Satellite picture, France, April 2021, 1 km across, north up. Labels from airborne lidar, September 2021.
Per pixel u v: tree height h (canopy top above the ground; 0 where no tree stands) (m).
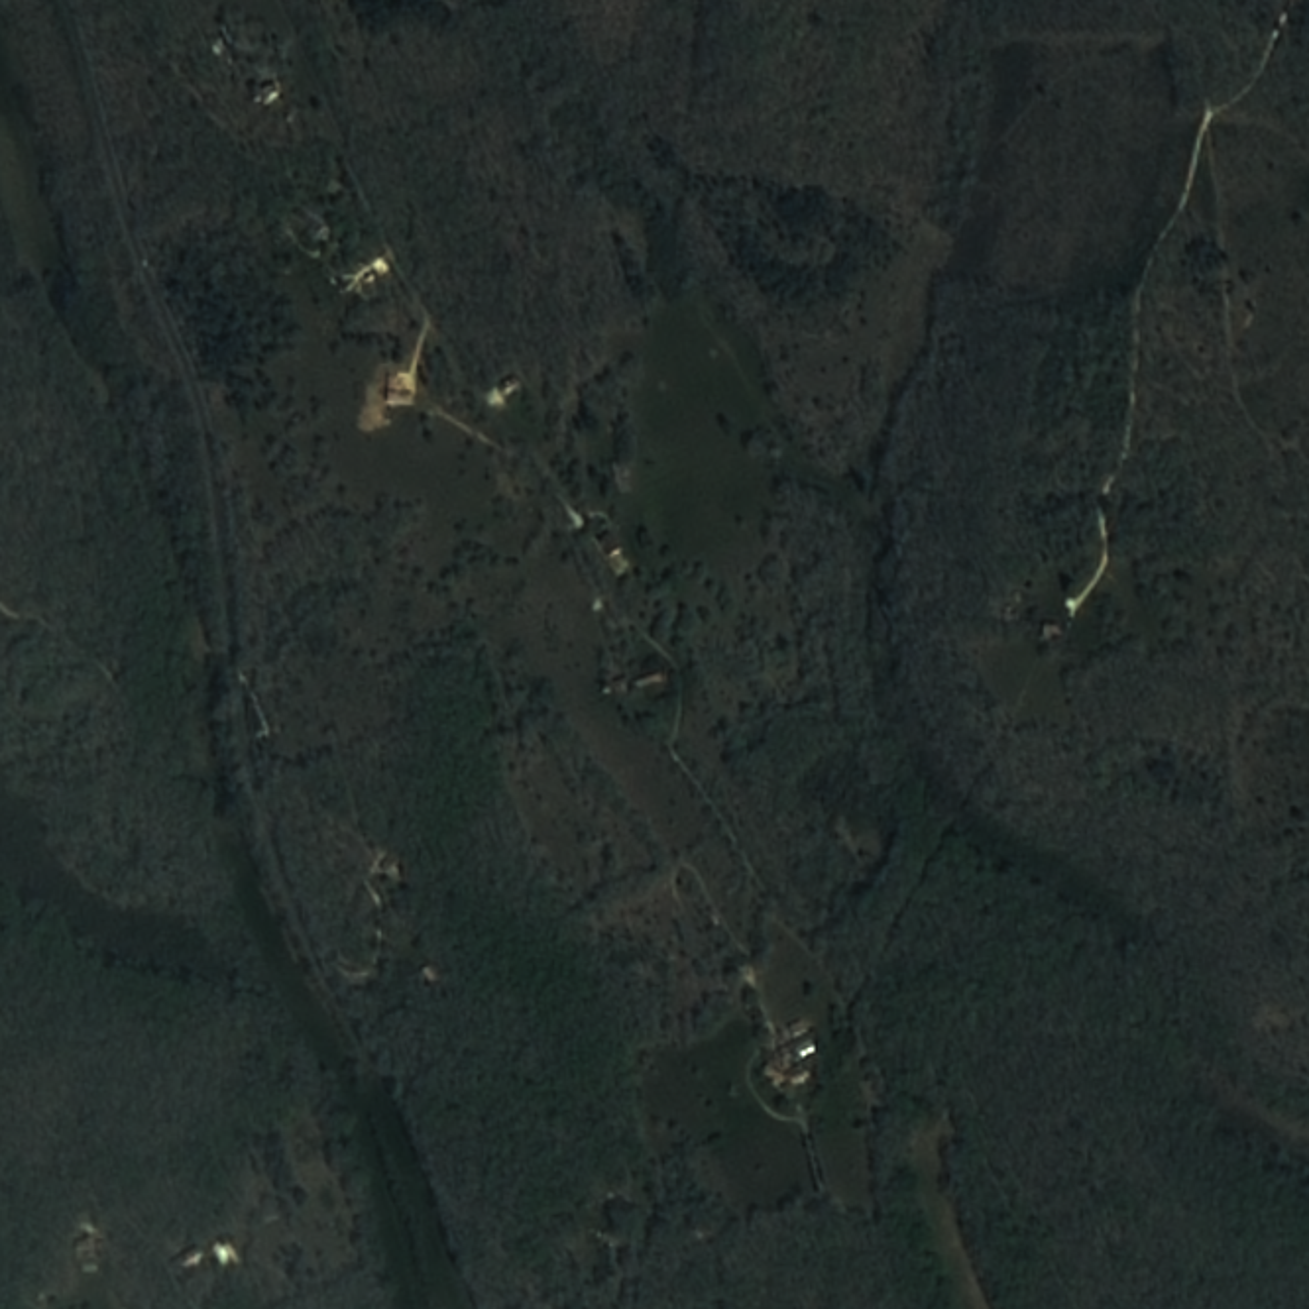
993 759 10
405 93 15
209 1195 14
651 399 0
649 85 10
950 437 13
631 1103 14
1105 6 14
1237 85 12
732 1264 17
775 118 8
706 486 0
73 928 7
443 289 12
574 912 12
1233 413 13
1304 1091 16
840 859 10
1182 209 11
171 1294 15
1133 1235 13
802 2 11
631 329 6
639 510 0
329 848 10
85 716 7
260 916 0
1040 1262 15
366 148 11
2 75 0
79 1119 12
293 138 12
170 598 20
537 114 20
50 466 8
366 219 11
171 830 13
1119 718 20
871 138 10
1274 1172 15
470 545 7
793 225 13
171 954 6
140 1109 17
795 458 0
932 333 15
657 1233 16
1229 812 10
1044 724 7
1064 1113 12
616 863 14
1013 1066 17
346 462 0
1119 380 9
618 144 14
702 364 0
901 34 12
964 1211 21
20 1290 17
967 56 14
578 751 12
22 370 15
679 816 0
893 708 9
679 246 10
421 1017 18
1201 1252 15
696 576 6
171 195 14
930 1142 0
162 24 16
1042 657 10
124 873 15
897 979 18
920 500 11
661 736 12
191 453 14
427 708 20
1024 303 12
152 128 9
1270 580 8
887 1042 22
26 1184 13
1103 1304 14
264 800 17
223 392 8
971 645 11
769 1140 0
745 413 0
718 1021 9
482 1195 19
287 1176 15
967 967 16
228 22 13
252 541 12
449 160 12
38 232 0
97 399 14
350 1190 20
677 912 0
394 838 16
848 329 9
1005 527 16
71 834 15
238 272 7
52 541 17
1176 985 18
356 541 18
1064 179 0
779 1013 0
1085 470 9
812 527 15
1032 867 6
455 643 11
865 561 13
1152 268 12
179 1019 20
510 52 20
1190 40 12
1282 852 12
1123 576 0
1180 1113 20
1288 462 11
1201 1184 20
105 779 16
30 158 0
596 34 7
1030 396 9
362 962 16
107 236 15
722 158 9
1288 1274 16
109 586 15
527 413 7
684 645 11
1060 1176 14
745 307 14
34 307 22
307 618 12
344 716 0
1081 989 16
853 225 10
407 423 0
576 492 9
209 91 16
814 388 0
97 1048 18
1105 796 14
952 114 13
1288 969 16
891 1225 17
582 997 18
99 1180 15
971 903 21
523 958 16
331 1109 14
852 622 16
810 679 12
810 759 16
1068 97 0
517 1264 14
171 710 21
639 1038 14
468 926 19
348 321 10
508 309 11
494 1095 16
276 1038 18
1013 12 16
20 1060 15
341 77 11
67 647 12
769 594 8
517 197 11
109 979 18
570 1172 17
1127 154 0
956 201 8
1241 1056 14
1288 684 10
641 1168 14
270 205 17
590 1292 14
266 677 10
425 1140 24
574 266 13
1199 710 12
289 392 9
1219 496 11
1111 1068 17
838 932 17
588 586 12
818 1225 18
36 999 17
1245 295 0
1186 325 8
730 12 11
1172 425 10
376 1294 22
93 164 11
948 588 10
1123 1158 13
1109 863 17
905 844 17
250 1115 17
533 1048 16
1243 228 0
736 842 6
